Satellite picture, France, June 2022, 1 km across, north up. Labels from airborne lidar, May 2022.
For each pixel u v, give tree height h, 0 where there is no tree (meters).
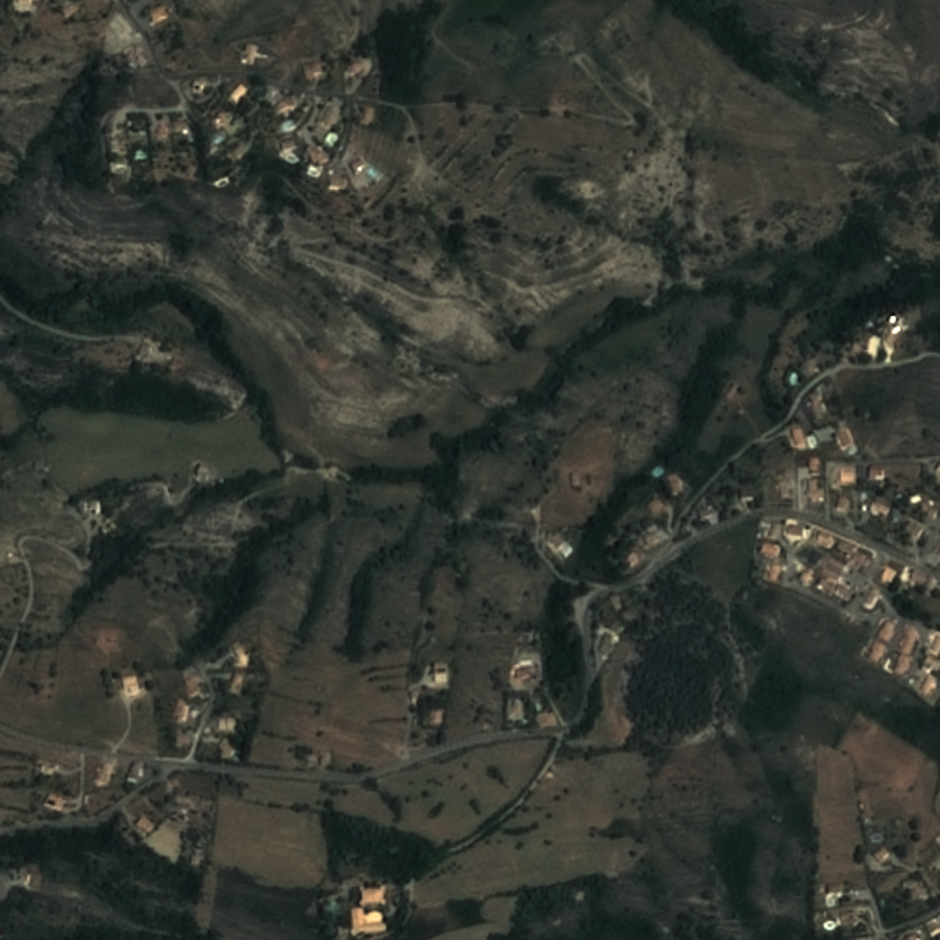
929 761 0
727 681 9
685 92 0
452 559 7
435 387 0
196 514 0
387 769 0
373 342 0
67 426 0
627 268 0
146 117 8
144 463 0
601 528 6
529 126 0
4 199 6
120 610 0
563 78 0
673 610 7
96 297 20
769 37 6
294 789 0
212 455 0
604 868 0
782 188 0
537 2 0
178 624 0
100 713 0
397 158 0
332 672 0
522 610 0
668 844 0
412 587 0
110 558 17
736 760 0
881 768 0
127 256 0
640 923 6
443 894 0
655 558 0
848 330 8
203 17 0
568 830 0
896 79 0
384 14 8
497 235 7
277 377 0
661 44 0
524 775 0
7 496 0
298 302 0
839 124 0
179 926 8
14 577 0
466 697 0
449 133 0
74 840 8
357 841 7
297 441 0
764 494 5
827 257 10
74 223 0
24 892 6
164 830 0
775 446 0
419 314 0
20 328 7
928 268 8
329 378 0
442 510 7
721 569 0
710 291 9
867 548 0
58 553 0
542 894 8
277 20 0
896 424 0
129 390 6
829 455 0
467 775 0
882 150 0
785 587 0
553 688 8
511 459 0
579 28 0
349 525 0
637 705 11
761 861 0
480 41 0
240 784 8
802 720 0
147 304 10
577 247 0
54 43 0
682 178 0
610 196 0
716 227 0
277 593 0
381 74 7
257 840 0
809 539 0
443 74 0
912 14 0
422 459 0
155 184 6
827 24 0
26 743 0
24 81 0
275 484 0
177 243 7
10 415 0
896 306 8
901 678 0
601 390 0
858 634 0
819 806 0
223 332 19
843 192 0
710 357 10
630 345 0
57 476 0
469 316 0
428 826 0
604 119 0
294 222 0
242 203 0
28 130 0
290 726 0
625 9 0
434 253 0
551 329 0
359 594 12
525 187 0
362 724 0
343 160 0
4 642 7
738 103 0
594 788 0
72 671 0
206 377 0
